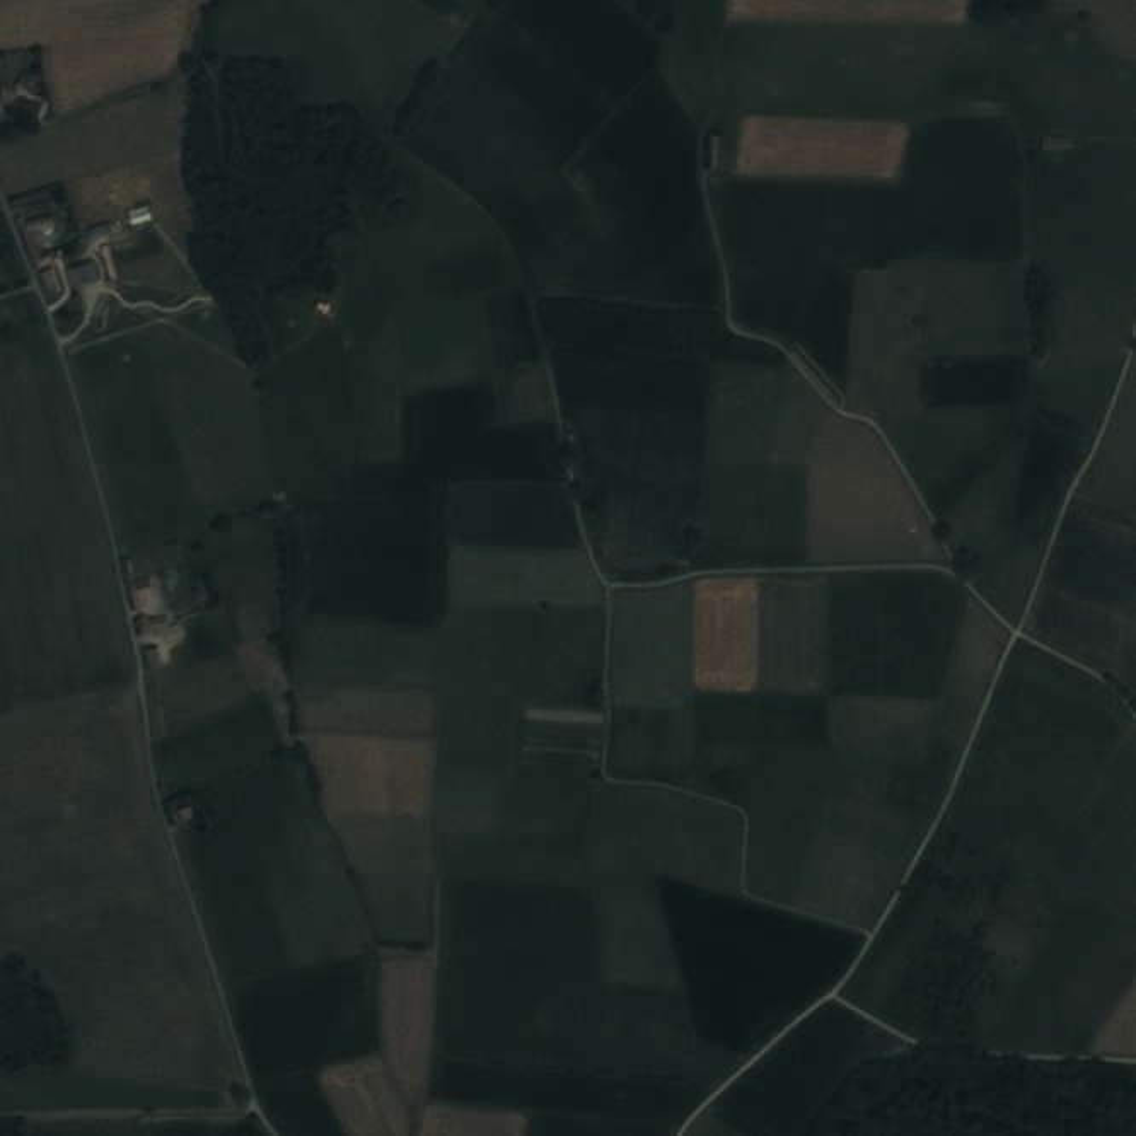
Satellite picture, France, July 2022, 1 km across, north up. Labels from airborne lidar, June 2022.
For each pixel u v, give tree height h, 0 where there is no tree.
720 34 0
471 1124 0
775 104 0
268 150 22
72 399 0
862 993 0
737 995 0
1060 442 0
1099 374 0
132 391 0
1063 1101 19
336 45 0
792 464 0
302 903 0
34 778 0
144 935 0
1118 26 0
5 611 0
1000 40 0
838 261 0
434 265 0
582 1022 0
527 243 0
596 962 0
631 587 0
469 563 0
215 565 0
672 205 0
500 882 0
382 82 0
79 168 0
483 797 0
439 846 0
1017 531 0
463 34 0
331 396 0
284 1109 0
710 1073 0
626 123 0
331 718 0
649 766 0
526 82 0
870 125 0
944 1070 24
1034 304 8
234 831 0
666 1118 0
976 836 0
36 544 0
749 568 0
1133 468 0
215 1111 0
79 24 0
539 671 0
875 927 0
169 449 0
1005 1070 14
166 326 0
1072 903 0
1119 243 0
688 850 0
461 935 0
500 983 0
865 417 0
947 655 0
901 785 0
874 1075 14
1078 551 0
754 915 0
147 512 0
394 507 0
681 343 6
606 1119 0
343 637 0
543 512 0
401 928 0
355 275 0
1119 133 0
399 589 0
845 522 0
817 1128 17
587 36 0
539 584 0
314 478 0
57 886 0
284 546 10
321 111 14
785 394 0
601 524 0
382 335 0
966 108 0
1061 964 0
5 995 0
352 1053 0
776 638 0
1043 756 0
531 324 0
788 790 0
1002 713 0
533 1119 0
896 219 0
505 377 0
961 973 6
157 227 0
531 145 0
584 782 0
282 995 0
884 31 0
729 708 0
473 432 0
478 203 0
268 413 0
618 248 0
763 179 0
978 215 0
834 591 0
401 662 0
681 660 0
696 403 0
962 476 0
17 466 0
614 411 0
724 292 0
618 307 7
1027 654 0
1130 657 0
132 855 0
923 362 0
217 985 0
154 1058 0
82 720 0
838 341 0
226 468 0
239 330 12
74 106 0
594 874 0
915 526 0
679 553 0
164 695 0
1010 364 0
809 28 0
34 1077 0
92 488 0
